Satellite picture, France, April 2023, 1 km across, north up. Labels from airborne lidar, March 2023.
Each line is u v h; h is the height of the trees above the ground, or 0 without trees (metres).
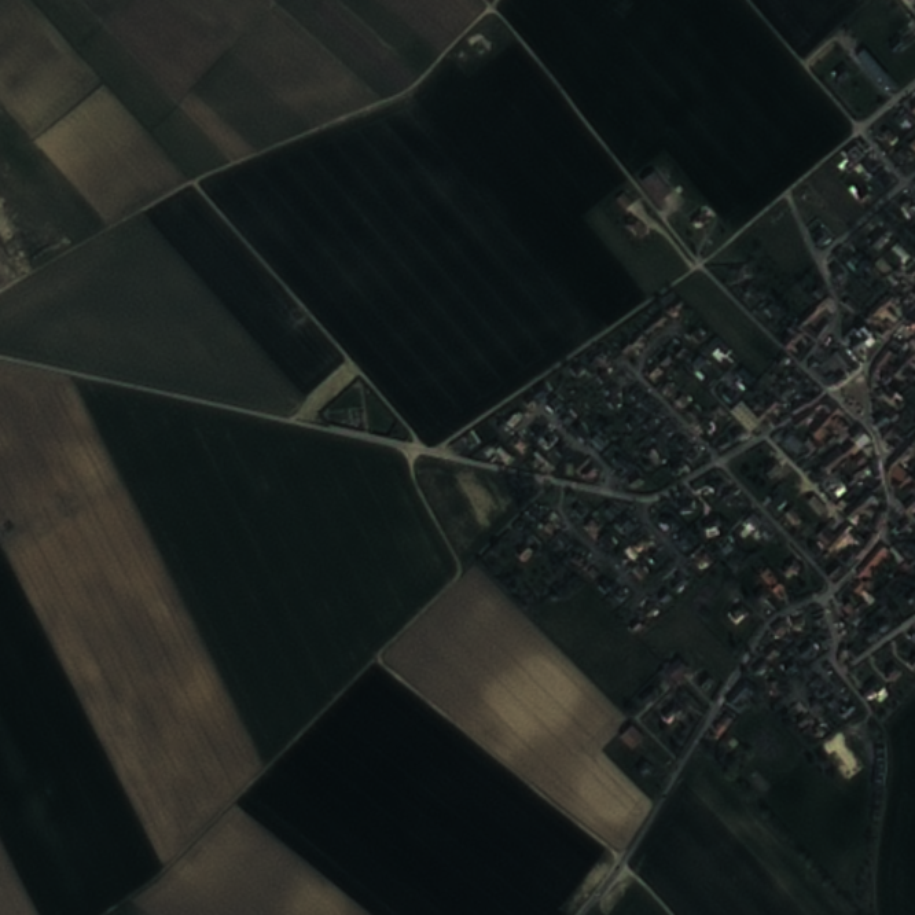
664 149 0
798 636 6
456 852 0
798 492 0
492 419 0
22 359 0
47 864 0
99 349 0
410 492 0
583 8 0
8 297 0
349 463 0
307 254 0
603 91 0
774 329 9
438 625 0
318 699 0
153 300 0
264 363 0
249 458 0
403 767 0
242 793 0
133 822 0
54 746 0
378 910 0
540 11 0
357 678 0
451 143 0
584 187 0
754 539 0
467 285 0
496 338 0
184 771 0
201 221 0
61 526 0
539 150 0
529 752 0
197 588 0
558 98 0
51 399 0
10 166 0
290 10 0
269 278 0
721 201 0
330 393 0
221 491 0
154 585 0
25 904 0
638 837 0
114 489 0
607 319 0
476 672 0
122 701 0
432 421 0
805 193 0
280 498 0
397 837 0
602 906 0
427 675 0
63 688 0
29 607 0
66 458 0
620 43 0
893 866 0
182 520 0
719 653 0
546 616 0
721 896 0
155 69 0
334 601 0
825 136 0
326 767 0
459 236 0
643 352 0
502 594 0
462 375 0
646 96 0
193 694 0
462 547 0
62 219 0
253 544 0
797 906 0
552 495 13
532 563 0
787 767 0
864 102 0
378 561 0
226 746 0
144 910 0
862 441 0
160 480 0
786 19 0
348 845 0
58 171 0
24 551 0
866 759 0
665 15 0
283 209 0
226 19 0
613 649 0
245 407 0
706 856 0
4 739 0
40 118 0
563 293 0
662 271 0
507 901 0
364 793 0
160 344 0
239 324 0
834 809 0
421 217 0
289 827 0
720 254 0
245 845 0
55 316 0
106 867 0
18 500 0
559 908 0
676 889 0
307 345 0
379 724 0
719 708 0
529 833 0
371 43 0
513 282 0
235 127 0
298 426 0
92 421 0
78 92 0
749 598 10
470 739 0
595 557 0
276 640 0
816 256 0
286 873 0
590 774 0
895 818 0
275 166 0
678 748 12
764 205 0
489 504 0
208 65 0
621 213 0
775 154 0
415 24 0
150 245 0
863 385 0
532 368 0
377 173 0
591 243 0
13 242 0
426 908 0
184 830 0
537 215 0
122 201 0
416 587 0
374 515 0
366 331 0
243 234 0
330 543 0
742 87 0
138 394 0
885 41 0
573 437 0
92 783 0
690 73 0
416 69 0
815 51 0
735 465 0
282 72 0
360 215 0
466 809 0
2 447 0
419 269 0
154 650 0
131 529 0
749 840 0
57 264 0
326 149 0
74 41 0
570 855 0
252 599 0
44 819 0
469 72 0
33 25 0
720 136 0
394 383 0
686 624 0
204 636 0
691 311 8
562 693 0
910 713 0
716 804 0
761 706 13
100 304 0
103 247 0
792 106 0
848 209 0
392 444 0
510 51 0
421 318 0
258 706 0
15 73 0
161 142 0
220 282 0
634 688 0
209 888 0
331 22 0
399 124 0
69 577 0
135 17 0
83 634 0
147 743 0
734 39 0
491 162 0
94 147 0
